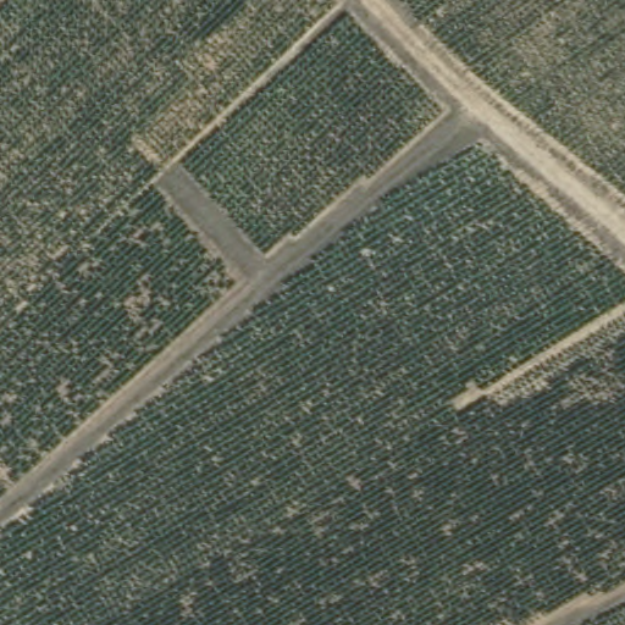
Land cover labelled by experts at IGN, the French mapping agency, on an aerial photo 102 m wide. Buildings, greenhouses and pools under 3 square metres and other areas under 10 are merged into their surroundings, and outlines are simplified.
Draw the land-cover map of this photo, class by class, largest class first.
<instances>
[{"label":"vineyard","instance_id":"1","mask_svg":"<svg viewBox=\"0 0 625 625\"><path fill-rule=\"evenodd\" d=\"M439 112V105L422 93L420 85L413 83V78L403 68L393 66L376 46V42L361 32L352 15L342 12V5L332 0H0V625H625V273L608 256H603L583 234L574 232L554 210H549V205L542 198H537L522 181H518L510 171L500 168L496 156L481 151L479 146L466 149L459 134H454L442 149L425 137L388 173L386 181L371 188H354L352 183L356 178L371 176L396 149H400L415 132H420ZM413 27L425 24L427 29H432V34L439 37V42L447 44L479 78H483L505 100H510L518 110L532 117L547 134L559 139L564 146L579 154L583 164L603 173L618 190L625 193V0H388Z\"/></svg>","mask_w":625,"mask_h":625},{"label":"herbaceous vegetation","instance_id":"2","mask_svg":"<svg viewBox=\"0 0 625 625\"><path fill-rule=\"evenodd\" d=\"M342 5V12L352 15L361 32L376 42V46L393 66L403 68L413 78V83L420 85L422 93L439 105V112L420 132H415L400 149H396L371 176L356 178L352 183L354 188H371L386 181L388 173L425 137L442 149L454 134H459L466 149L479 146L481 151L496 156L500 168L510 171L518 181H522L537 198H542L549 205V210H554L574 232L583 234L603 256H608L625 273V244H620L608 227L593 220L581 205H576L532 164L520 159L496 132H491L488 125L469 117L461 110L459 100L452 98L430 76V71L422 63H417V59L410 51H405V46L359 0H332ZM417 37L447 63V68L464 81L466 90H471L479 100L493 107L520 134L530 137L542 151H547L593 195L605 200L610 208H620L625 212V193L618 190L603 173L583 164L579 154L564 146L559 139L547 134L532 117L518 110L510 100H505L483 78H479L447 44L439 42V37L432 34V29H427L425 24L413 27Z\"/></svg>","mask_w":625,"mask_h":625},{"label":"pervious surface","instance_id":"3","mask_svg":"<svg viewBox=\"0 0 625 625\"><path fill-rule=\"evenodd\" d=\"M405 46V51H410L417 59V63H422L430 71V76L452 98L459 100L461 110L469 117L488 125L491 132H496L520 159L532 164L576 205H581L593 220L608 227L620 244H625V212L620 208H610L605 200L593 195L547 151H542L530 137L520 134L493 107L479 100L471 90H466L464 81L447 68V63L417 37L413 27L388 0H359Z\"/></svg>","mask_w":625,"mask_h":625}]
</instances>
